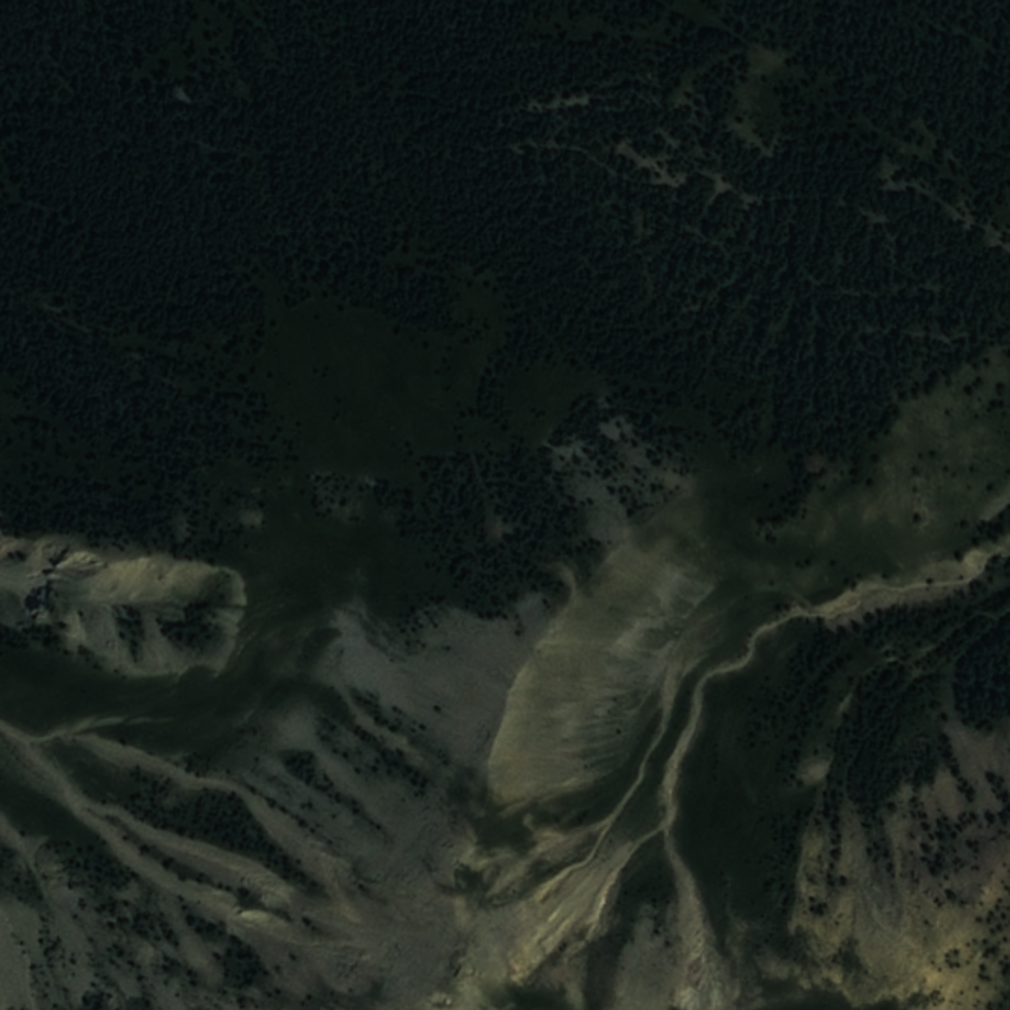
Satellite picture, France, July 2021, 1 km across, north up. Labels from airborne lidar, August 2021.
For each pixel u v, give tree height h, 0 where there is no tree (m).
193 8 19
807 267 11
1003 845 0
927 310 23
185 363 6
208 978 0
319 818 0
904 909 0
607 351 10
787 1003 0
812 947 0
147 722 0
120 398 14
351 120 8
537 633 0
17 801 0
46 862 0
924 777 8
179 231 14
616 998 0
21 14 27
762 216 15
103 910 6
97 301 8
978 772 0
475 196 11
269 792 0
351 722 0
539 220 9
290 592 0
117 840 0
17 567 0
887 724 6
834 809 7
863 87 16
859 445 11
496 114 11
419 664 0
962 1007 0
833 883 7
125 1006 0
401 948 0
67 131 15
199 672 0
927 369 9
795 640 0
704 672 0
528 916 0
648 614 0
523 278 8
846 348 23
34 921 0
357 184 14
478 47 14
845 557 0
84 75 13
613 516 0
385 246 9
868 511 0
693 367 14
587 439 11
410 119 10
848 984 0
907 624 15
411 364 0
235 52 9
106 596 0
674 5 15
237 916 0
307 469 0
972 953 0
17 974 0
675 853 0
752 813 0
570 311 12
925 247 17
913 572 0
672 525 0
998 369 0
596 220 14
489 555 13
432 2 18
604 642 0
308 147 16
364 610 0
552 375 0
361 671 0
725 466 0
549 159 10
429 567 7
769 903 0
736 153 15
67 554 0
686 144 13
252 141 10
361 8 16
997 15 27
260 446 7
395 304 12
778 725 8
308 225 13
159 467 8
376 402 0
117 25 20
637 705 0
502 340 0
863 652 0
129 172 12
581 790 0
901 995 0
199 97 15
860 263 16
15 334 14
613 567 0
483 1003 0
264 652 0
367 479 0
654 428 11
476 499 8
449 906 0
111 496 6
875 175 13
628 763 0
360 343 0
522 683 0
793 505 8
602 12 14
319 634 0
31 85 18
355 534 0
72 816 0
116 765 0
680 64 12
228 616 0
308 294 10
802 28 13
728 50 14
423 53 14
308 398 0
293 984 0
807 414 15
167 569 0
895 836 0
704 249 8
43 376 15
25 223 11
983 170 17
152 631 0
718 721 0
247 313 14
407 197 8
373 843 0
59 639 7
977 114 27
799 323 21
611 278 13
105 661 0
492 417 8
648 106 13
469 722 0
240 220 17
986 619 10
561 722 0
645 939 0
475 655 0
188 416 12
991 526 11
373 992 0
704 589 0
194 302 13
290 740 0
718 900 0
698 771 0
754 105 0
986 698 21
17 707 0
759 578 0
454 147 9
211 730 0
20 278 16
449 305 11
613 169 12
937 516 0
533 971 0
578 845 0
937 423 0
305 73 9
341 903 0
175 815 7
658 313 11
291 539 0
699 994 0
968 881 0
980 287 13
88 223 14
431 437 0
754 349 9
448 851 0
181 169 16
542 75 15
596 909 0
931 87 20
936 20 25
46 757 0
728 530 0
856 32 14
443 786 0
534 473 8
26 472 7
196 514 7
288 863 7
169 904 0
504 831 0
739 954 0
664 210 12
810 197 18
